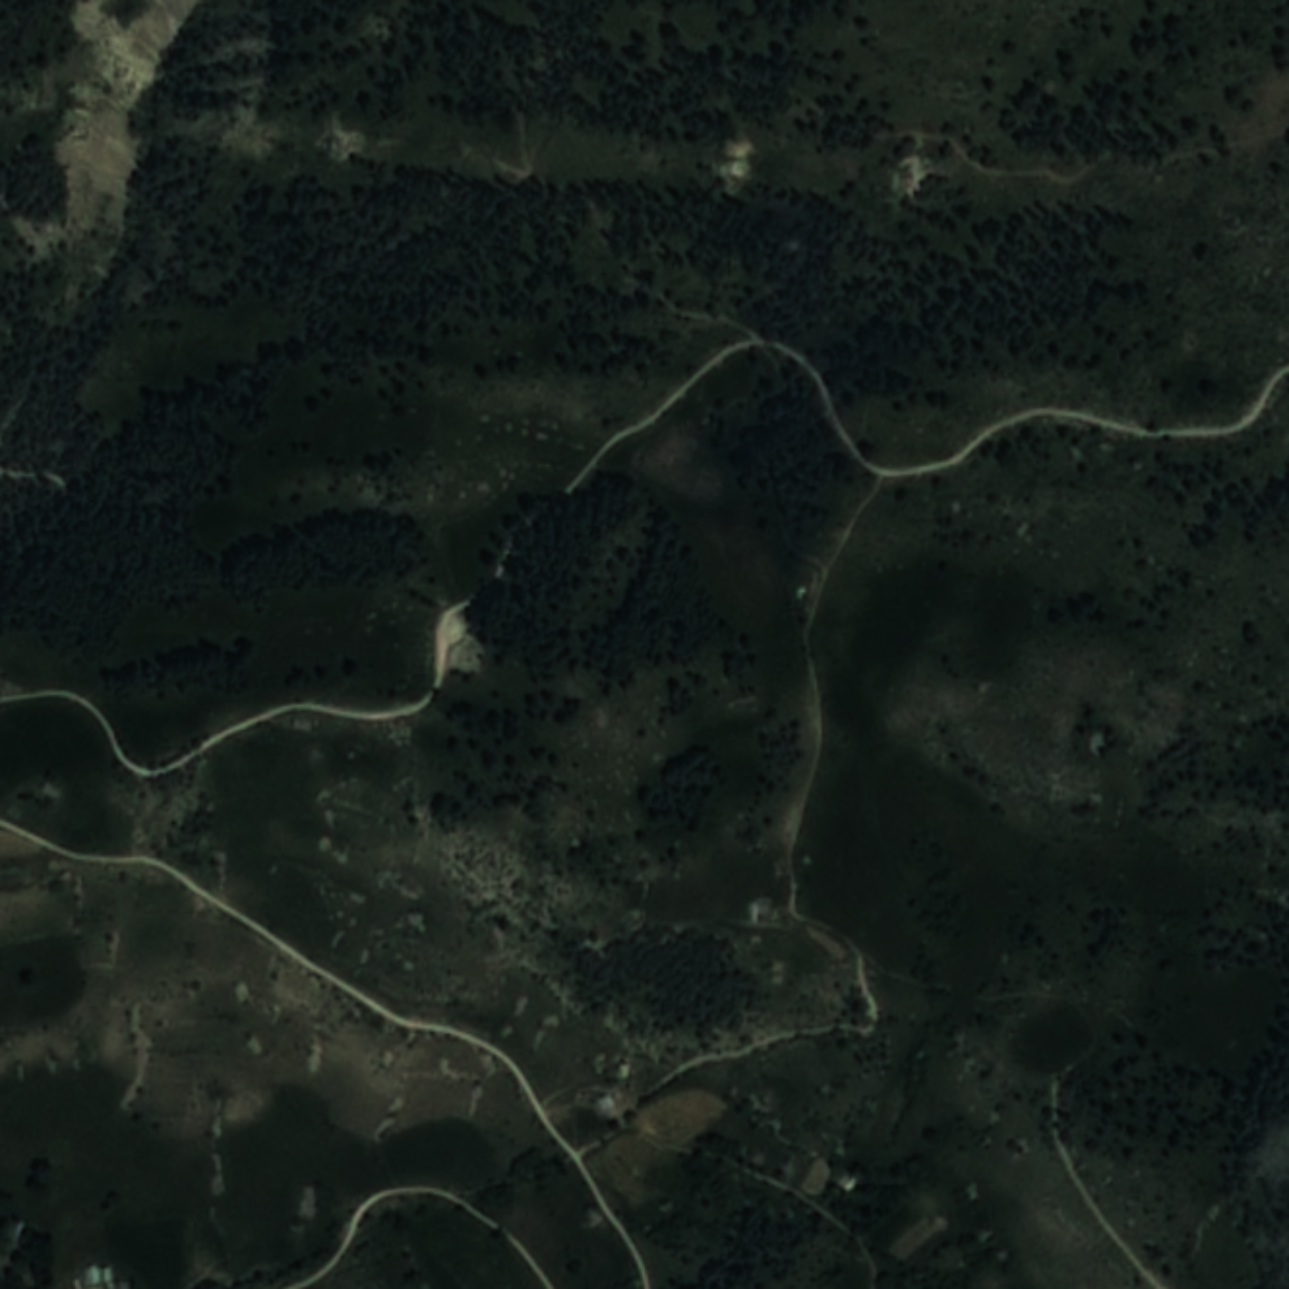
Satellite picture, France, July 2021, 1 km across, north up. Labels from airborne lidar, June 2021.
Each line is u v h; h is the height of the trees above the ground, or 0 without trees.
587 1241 0
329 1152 0
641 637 27
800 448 29
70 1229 0
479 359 0
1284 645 0
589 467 0
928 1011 0
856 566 0
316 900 0
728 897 0
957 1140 0
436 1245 0
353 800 0
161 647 0
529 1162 7
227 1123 0
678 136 20
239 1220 0
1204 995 0
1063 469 0
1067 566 0
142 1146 0
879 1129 0
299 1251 0
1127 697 0
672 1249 8
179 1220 0
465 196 26
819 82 14
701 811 19
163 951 0
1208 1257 0
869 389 22
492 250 28
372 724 0
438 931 0
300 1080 0
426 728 0
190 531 17
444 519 0
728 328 0
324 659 0
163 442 23
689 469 0
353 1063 0
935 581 0
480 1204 7
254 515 0
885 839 0
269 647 0
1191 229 0
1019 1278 0
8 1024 0
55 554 32
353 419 0
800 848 0
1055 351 17
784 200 11
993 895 0
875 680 0
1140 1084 13
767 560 0
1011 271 25
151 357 0
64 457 7
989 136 0
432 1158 0
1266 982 0
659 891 0
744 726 0
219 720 0
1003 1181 0
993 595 0
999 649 0
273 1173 0
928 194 9
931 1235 0
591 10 29
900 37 0
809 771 0
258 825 0
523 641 21
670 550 19
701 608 18
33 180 15
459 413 0
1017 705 0
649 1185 0
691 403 0
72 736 0
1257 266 0
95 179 0
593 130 23
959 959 0
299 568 25
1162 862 0
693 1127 0
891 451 0
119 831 0
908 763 0
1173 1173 0
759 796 7
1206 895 0
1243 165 0
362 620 0
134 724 0
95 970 0
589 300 17
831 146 8
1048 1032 0
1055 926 0
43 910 0
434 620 0
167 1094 0
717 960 8
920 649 0
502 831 0
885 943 0
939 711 0
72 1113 0
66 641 20
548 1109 0
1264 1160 25
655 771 0
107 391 0
